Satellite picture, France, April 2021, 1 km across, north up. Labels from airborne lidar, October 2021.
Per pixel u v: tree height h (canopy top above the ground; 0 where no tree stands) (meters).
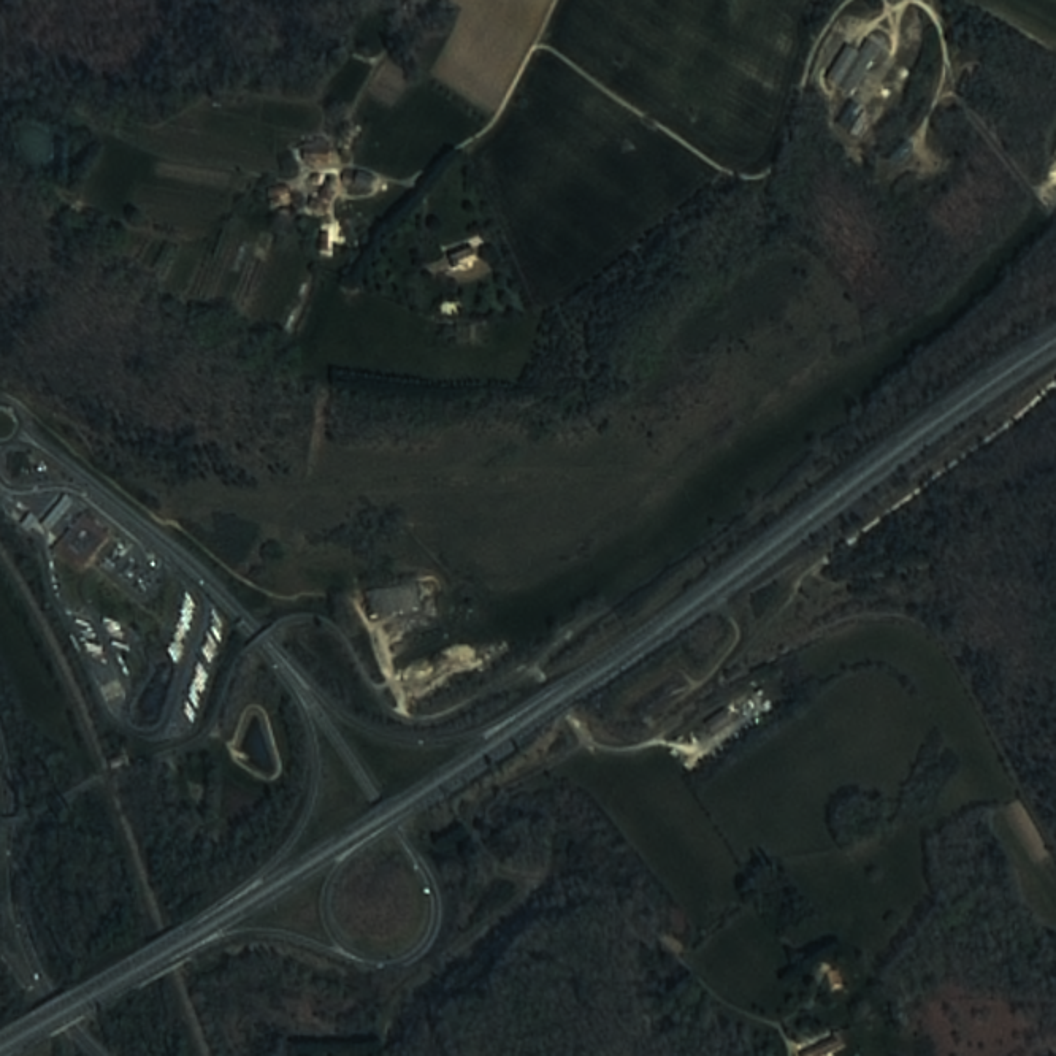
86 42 7
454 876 22
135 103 19
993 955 26
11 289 16
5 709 19
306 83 23
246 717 0
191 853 9
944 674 0
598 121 0
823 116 18
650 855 0
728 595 0
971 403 0
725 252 20
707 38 0
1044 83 17
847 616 16
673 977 13
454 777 0
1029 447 16
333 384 14
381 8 12
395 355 0
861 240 18
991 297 15
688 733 0
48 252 16
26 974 0
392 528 18
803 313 0
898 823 10
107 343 17
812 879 0
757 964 0
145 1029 14
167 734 0
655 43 0
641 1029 21
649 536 0
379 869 9
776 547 0
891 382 16
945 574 14
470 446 0
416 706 7
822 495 0
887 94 0
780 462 0
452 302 6
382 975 12
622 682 7
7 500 0
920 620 13
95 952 16
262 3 19
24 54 10
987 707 16
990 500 7
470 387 11
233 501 0
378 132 0
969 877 21
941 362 16
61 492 0
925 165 0
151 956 0
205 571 0
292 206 9
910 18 0
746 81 0
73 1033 0
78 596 0
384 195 0
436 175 15
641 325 16
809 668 0
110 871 22
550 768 0
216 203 0
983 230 21
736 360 0
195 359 22
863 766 0
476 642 0
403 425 20
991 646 16
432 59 0
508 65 0
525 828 24
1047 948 23
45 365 18
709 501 0
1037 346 0
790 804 0
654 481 0
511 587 0
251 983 19
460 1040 23
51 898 24
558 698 0
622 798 0
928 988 20
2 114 14
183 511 0
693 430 0
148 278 11
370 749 0
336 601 21
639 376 17
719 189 7
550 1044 23
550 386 8
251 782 0
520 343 0
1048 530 16
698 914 0
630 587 0
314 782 0
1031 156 20
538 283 0
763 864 6
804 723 0
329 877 0
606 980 25
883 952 0
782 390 0
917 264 12
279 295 0
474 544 0
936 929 28
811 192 21
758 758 0
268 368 21
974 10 8
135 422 15
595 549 0
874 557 17
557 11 0
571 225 0
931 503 20
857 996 0
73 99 14
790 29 0
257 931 0
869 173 17
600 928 23
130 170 0
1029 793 7
